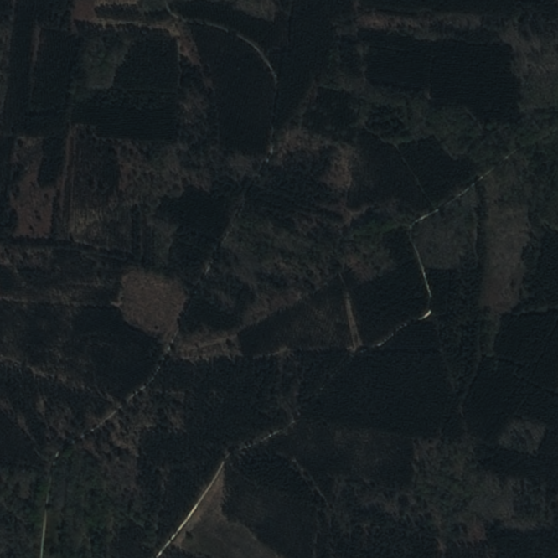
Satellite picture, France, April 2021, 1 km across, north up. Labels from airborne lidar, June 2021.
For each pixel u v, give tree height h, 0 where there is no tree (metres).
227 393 13
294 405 9
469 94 10
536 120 19
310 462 12
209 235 8
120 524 17
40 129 17
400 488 8
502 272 0
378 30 8
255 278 14
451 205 15
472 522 14
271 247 9
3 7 11
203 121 14
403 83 9
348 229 10
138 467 10
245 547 0
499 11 17
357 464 10
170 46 14
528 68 9
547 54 12
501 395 12
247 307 15
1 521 13
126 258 14
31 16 12
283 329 7
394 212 10
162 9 14
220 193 16
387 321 10
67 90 11
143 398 11
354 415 14
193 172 12
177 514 11
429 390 19
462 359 18
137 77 12
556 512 17
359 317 9
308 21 18
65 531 15
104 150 8
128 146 7
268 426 15
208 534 0
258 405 14
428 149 13
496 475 13
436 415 19
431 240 9
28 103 13
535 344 13
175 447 15
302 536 11
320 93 9
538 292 12
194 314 16
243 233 12
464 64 11
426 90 10
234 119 10
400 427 15
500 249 0
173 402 14
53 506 10
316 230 9
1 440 10
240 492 11
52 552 7
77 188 8
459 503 9
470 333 18
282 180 17
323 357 14
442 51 11
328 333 6
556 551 17
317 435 10
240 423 15
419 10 15
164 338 12
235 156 12
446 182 13
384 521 23
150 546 15
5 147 10
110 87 12
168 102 10
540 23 17
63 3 19
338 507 14
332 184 9
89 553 17
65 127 17
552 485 12
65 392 14
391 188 12
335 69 19
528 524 7
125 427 16
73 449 14
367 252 13
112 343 8
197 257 9
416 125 11
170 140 10
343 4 19
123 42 16
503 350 11
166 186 12
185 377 14
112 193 10
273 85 7
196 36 6
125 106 10
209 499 0
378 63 11
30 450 12
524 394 11
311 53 18
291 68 17
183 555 13
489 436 11
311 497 18
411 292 10
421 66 10
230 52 8
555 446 11
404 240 13
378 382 13
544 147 17
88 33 15
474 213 20
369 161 9
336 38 19
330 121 9
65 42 8
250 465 20
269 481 20
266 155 10
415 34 12
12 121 9
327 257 9
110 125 10
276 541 13
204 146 18
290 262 6
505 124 16
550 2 16
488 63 11
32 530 21
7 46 11
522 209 15
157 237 16
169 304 0
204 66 7
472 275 20
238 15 10
